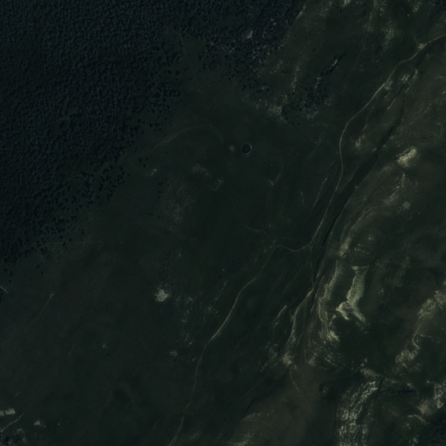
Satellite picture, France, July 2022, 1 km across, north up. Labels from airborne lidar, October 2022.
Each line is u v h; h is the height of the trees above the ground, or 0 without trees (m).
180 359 0
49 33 16
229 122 0
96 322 0
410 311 0
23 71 22
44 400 0
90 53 18
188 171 0
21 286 0
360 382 0
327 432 0
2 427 0
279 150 0
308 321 0
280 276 0
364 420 0
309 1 0
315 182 0
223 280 0
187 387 0
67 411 0
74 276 0
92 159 13
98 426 0
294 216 0
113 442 0
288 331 0
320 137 0
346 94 0
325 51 0
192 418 0
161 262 0
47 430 0
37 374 0
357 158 0
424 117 0
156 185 0
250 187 0
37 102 18
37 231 11
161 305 0
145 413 0
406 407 0
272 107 0
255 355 0
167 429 0
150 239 0
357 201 0
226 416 0
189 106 0
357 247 0
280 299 0
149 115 0
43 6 14
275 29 6
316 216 0
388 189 0
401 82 0
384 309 0
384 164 0
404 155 0
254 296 0
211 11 9
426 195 0
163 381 0
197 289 0
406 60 0
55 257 0
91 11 22
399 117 0
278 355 0
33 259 0
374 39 0
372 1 0
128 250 0
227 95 0
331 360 0
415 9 0
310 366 0
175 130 0
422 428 0
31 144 14
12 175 19
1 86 19
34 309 0
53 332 0
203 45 0
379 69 0
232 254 0
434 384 0
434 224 0
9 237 10
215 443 0
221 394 0
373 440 0
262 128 0
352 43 0
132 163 0
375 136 0
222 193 0
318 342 0
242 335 0
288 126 0
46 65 17
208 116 0
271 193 0
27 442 0
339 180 0
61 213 0
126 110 22
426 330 0
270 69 0
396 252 0
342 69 0
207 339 0
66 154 21
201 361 0
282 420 0
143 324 0
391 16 0
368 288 0
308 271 0
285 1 8
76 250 0
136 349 0
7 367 0
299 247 0
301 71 0
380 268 0
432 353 0
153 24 16
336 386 0
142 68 7
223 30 7
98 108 15
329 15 0
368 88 0
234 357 0
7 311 0
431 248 0
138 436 0
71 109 8
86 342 0
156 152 0
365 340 0
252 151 0
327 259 0
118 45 17
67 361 0
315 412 0
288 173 0
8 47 19
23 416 0
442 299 0
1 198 18
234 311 0
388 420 0
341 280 0
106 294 0
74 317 0
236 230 0
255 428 0
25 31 12
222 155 0
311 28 0
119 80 17
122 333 0
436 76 0
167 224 0
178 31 7
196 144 0
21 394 0
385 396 0
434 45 0
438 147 0
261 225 0
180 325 0
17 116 18
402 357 0
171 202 0
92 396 0
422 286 0
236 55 6
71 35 12
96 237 0
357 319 0
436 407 0
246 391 0
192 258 0
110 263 0
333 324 0
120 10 14
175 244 0
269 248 0
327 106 0
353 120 0
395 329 0
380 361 0
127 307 0
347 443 0
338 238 0
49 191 15
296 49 0
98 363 0
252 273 0
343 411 0
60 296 0
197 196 0
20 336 0
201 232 0
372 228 0
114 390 0
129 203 0
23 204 14
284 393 0
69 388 0
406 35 0
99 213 0
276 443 0
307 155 0
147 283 0
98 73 17
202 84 0
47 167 17
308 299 0
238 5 7
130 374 0
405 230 0
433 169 0
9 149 22
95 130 16
